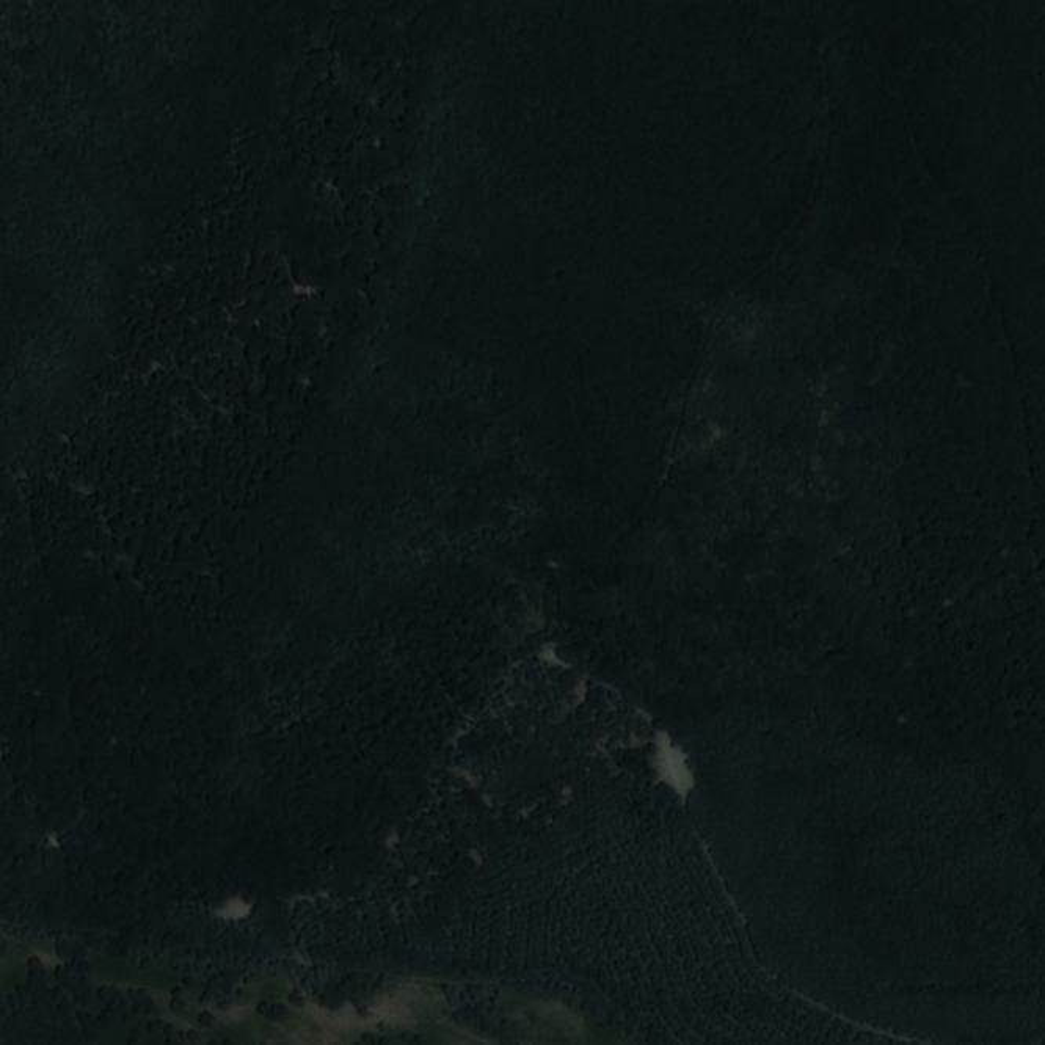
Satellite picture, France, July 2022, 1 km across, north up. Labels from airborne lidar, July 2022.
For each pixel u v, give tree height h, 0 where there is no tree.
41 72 17
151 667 35
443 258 25
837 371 22
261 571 23
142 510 30
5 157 17
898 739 20
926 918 12
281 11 21
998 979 13
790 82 13
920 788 16
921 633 24
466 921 11
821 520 21
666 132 22
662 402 15
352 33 29
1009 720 24
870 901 14
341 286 28
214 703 21
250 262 25
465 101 19
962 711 22
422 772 16
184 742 24
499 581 14
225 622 25
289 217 24
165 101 15
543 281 22
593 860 11
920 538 24
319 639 17
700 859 10
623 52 20
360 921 15
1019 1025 14
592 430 24
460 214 18
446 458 16
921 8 22
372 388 21
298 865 23
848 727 15
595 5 17
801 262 8
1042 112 22
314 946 15
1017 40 27
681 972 13
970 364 30
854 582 20
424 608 16
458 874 14
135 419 22
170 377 22
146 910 18
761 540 19
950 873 12
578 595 15
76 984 13
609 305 20
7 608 21
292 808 23
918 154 28
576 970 11
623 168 23
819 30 14
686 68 19
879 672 20
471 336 20
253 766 20
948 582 20
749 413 15
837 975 13
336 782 20
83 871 16
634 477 15
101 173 17
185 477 24
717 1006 10
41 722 20
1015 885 18
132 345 18
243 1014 0
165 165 17
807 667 18
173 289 16
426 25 37
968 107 31
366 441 23
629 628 7
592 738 10
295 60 29
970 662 25
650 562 8
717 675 18
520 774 8
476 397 10
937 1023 14
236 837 32
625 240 21
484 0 24
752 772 15
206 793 24
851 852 13
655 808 6
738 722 12
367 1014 9
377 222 29
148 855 24
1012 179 26
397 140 31
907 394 29
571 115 23
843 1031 12
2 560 16
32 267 14
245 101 19
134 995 10
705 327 10
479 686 14
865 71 16
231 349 22
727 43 16
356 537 14
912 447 23
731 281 13
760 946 13
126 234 15
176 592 24
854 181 16
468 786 17
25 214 13
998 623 24
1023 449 23
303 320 28
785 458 21
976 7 25
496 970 12
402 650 12
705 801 13
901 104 25
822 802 15
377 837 16
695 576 20
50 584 23
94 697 29
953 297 27
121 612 28
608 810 14
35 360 12
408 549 11
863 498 22
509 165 19
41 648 26
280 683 19
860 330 21
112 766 23
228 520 28
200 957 13
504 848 12
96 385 15
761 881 14
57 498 23
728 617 20
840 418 17
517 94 22
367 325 29
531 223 20
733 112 21
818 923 11
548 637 11
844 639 19
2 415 11
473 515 12
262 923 16
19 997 9
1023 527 23
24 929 9
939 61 27
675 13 15
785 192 11
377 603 17
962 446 26
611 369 21
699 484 11
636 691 17
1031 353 28
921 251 26
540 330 24
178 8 16
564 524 14
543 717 14
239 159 16
